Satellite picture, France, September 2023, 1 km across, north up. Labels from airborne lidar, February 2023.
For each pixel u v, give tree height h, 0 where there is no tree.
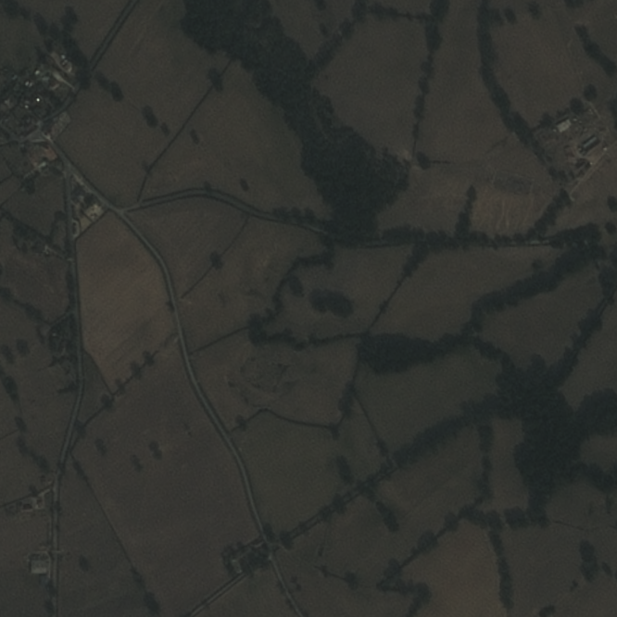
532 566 0
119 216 0
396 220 0
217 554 0
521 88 0
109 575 0
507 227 0
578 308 0
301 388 0
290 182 0
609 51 0
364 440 0
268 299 0
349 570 0
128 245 0
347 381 0
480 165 0
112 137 0
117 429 0
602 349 0
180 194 0
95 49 0
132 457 0
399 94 0
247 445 0
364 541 0
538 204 0
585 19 0
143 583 14
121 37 0
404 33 0
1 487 0
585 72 0
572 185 0
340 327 0
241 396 0
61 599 0
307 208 0
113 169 0
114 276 0
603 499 0
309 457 0
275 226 0
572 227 0
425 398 0
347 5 0
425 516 0
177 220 0
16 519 0
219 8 21
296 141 0
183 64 0
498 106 12
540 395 11
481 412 21
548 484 12
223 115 0
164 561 0
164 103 0
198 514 0
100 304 0
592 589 0
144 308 0
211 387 0
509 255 0
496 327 0
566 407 13
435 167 0
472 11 0
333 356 0
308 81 9
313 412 0
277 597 0
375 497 9
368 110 0
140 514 0
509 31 0
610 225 7
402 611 0
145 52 0
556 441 9
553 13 0
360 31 0
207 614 0
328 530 0
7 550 0
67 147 0
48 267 0
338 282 0
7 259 0
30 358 0
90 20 0
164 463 0
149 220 0
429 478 0
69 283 13
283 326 0
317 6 16
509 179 0
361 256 0
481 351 19
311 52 0
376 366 17
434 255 0
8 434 0
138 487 0
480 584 0
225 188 0
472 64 0
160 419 0
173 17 0
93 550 0
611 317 0
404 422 0
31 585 0
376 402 0
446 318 0
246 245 0
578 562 0
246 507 0
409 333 0
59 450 0
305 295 0
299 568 0
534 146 10
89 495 0
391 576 14
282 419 0
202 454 0
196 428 0
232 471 0
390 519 16
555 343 0
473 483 0
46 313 0
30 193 6
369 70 0
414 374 0
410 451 15
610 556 0
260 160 0
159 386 0
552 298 0
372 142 0
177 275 0
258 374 0
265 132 0
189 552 0
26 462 0
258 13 14
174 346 0
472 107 0
